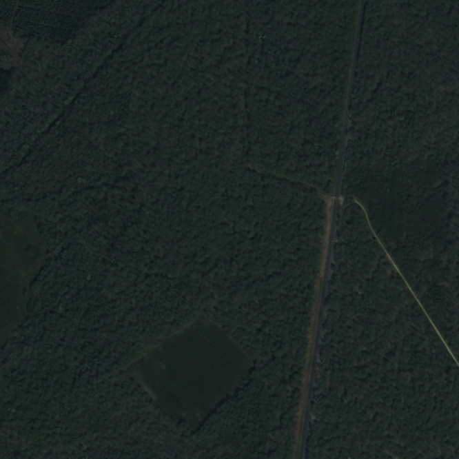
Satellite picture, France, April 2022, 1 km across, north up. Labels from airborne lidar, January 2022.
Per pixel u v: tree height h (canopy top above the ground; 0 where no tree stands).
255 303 16
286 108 22
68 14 6
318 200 22
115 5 25
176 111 20
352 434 22
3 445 25
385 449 25
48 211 25
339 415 19
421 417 26
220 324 24
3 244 0
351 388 24
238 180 23
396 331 24
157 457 19
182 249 26
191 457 23
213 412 0
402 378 22
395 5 29
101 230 23
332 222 0
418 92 26
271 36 25
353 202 22
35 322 9
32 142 17
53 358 26
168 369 0
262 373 24
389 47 22
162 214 26
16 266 0
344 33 19
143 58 22
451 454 22
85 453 23
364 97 25
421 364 19
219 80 25
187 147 22
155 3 23
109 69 19
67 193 27
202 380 0
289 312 26
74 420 13
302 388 23
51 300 17
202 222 20
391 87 23
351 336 22
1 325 0
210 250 24
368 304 24
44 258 0
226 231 26
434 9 26
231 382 0
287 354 20
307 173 22
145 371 0
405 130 21
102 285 14
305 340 22
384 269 24
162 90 26
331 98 21
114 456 18
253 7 21
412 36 25
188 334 0
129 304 25
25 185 9
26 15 8
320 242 22
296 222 21
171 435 21
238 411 24
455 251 24
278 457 28
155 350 0
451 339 23
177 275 26
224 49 25
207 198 25
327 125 26
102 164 19
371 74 22
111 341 23
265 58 25
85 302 24
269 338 23
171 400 0
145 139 28
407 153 22
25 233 0
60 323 20
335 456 23
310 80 26
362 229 29
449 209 24
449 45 25
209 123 25
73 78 17
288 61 23
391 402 19
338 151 15
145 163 24
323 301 0
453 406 24
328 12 22
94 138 27
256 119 25
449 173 27
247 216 27
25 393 11
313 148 29
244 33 22
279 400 27
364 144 26
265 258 24
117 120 17
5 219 0
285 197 29
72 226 21
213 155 22
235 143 27
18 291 0
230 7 23
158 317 27
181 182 29
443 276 0
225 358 0
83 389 26
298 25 17
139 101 26
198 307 25
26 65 22
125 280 22
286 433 26
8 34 0
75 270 25
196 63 25
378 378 25
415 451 25
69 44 22
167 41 21
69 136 13
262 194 25
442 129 24
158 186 28
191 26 22
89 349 25
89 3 10
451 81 21
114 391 16
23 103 27
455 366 19
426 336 22
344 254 23
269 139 25
